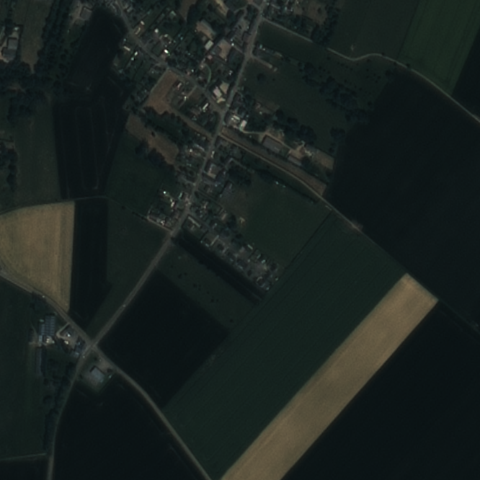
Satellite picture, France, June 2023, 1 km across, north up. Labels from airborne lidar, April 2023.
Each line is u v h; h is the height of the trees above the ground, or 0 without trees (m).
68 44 0
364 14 0
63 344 17
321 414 0
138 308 0
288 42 0
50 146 0
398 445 0
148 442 0
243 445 0
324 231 0
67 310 0
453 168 0
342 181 0
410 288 0
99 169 0
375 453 0
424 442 0
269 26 0
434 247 0
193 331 0
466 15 0
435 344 0
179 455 0
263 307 0
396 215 0
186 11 0
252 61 0
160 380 0
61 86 15
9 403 0
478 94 0
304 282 0
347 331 0
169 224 0
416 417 0
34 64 0
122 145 0
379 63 0
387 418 0
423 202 0
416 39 0
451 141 0
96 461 0
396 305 0
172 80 0
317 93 0
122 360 0
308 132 21
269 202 0
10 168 11
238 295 0
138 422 0
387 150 0
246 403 0
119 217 0
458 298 0
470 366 0
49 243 0
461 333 0
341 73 0
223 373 0
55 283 0
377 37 0
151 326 0
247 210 0
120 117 0
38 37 0
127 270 0
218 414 0
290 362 0
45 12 0
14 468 0
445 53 0
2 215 0
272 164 0
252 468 0
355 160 0
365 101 0
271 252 0
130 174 0
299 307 0
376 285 0
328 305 0
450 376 0
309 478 0
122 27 0
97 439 0
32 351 0
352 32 0
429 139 0
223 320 0
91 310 0
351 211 0
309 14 0
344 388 0
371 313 0
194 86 0
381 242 0
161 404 0
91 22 0
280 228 0
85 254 0
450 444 0
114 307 0
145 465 0
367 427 0
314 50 0
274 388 0
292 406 0
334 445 0
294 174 0
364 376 0
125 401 0
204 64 0
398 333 0
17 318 0
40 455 0
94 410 0
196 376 0
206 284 0
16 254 0
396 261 0
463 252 0
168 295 0
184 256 0
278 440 0
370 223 0
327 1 0
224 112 0
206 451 0
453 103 0
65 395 18
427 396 0
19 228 0
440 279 0
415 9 0
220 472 0
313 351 0
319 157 0
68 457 0
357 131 0
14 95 10
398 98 0
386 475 0
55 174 0
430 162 0
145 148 23
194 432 0
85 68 0
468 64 0
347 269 0
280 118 16
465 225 0
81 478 0
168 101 0
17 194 0
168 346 0
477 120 0
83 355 0
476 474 0
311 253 0
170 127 0
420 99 0
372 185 0
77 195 0
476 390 0
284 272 0
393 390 0
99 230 0
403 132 0
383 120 0
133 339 0
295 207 0
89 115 0
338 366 0
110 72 0
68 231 0
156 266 0
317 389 0
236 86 0
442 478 0
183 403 0
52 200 0
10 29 19
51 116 0
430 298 0
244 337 0
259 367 0
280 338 0
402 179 0
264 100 0
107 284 0
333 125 0
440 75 0
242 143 0
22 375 0
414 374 0
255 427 0
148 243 0
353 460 0
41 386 0
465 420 0
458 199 0
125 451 0
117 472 0
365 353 0
